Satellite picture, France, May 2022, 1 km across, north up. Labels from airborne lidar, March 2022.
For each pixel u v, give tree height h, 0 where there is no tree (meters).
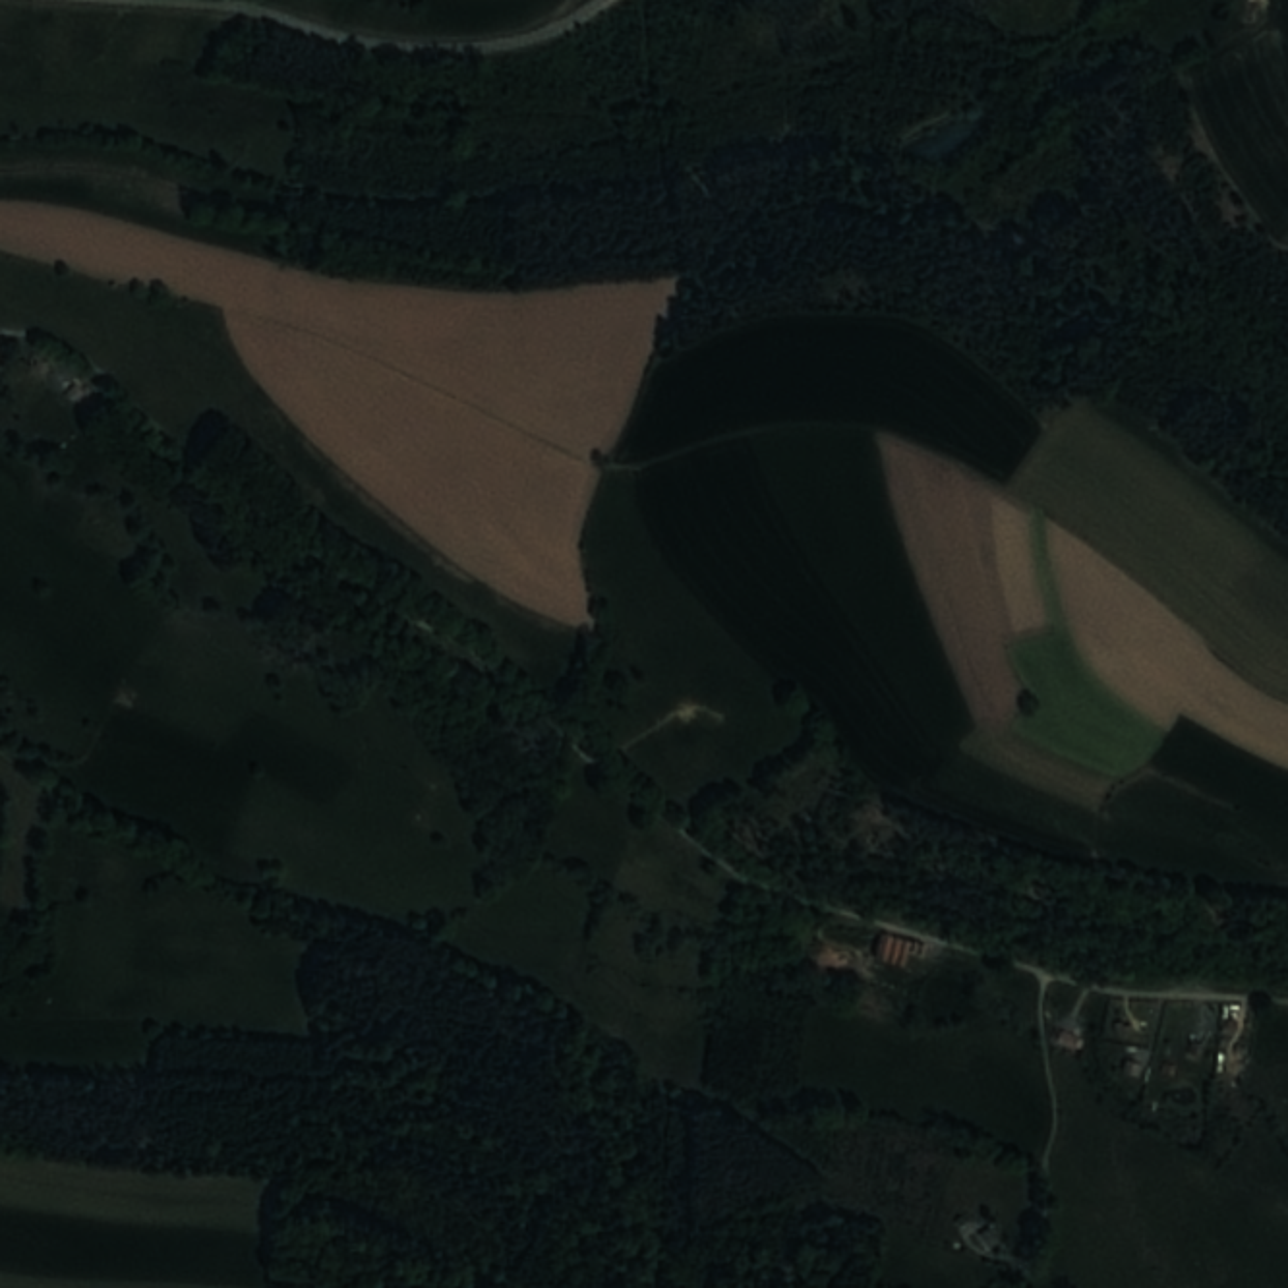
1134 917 18
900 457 0
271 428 0
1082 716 0
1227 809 0
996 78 21
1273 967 24
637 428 0
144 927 0
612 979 0
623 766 19
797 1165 28
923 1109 0
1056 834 0
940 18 23
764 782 20
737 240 26
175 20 0
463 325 0
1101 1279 0
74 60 0
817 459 0
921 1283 0
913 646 0
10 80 0
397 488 0
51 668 0
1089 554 0
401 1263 32
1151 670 0
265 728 0
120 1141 22
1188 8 0
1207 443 23
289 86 21
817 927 19
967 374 0
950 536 0
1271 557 0
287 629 10
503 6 0
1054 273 36
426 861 0
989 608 0
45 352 20
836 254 25
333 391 0
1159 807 0
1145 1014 0
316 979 25
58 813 20
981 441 0
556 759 18
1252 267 9
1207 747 0
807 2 26
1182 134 7
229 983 0
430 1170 32
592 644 15
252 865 0
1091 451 0
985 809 0
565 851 0
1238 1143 8
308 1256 27
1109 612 0
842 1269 23
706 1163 26
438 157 6
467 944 0
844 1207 0
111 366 0
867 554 0
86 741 0
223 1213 0
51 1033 0
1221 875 0
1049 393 22
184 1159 10
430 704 17
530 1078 31
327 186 11
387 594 17
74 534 0
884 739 0
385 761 0
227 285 0
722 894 0
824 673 0
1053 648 0
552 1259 17
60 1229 0
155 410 0
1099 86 28
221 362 0
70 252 0
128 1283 0
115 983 0
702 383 0
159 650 0
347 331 0
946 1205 0
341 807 0
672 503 0
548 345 0
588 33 7
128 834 21
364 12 0
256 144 0
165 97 0
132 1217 0
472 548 0
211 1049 14
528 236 27
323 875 0
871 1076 0
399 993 30
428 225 17
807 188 28
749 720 0
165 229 0
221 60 20
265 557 25
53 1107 20
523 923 0
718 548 0
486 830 17
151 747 0
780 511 0
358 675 17
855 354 0
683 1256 22
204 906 0
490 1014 27
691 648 0
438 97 13
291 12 0
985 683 0
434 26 0
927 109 6
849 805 10
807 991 23
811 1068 0
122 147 9
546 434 0
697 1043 0
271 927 16
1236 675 0
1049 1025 0
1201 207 6
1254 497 14
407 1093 20
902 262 28
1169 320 25
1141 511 0
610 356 0
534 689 12
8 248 0
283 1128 15
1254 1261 0
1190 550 0
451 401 0
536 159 6
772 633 0
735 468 0
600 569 0
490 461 0
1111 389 24
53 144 9
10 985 14
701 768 0
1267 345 13
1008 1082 0
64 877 0
